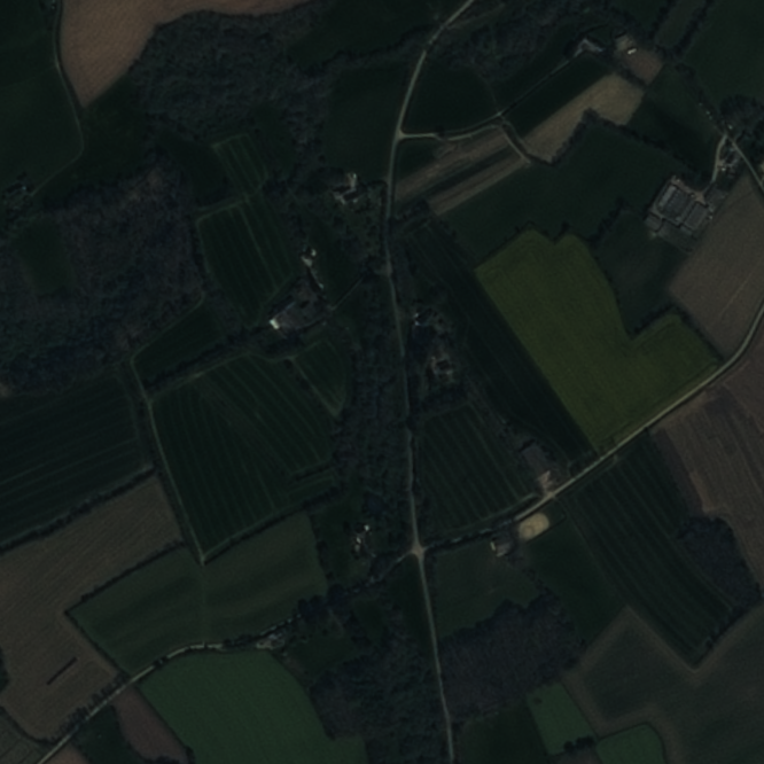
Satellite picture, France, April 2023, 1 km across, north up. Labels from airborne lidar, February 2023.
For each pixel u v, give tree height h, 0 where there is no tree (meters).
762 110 13
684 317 11
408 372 17
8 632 0
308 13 11
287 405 0
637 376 0
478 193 0
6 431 0
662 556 0
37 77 0
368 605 0
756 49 0
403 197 0
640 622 0
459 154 0
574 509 0
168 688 0
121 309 18
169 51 11
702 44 0
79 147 0
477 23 0
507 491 0
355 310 0
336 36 0
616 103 0
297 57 0
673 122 0
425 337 17
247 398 0
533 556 0
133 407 0
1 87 0
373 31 0
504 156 0
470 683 23
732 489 0
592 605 0
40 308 18
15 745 0
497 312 0
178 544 11
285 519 9
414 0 0
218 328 0
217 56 13
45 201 0
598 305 0
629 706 0
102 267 7
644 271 0
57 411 0
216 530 0
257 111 0
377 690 23
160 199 7
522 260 0
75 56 0
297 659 0
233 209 0
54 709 0
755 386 0
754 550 0
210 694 0
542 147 0
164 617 0
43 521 0
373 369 10
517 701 8
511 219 0
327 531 0
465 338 0
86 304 20
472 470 0
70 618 9
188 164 0
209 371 0
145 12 0
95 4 0
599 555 0
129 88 0
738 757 0
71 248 15
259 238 0
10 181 0
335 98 0
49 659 0
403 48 7
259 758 0
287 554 0
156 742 0
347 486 14
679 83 0
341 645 0
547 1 21
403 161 0
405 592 0
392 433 9
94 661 0
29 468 0
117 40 0
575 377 0
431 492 0
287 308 0
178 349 0
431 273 0
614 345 0
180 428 0
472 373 10
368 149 0
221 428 0
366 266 6
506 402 0
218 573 0
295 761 0
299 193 14
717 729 0
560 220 0
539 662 19
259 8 0
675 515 0
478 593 0
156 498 0
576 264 0
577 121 0
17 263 15
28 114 0
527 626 22
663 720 0
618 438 0
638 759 0
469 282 0
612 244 0
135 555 0
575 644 19
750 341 0
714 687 0
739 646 0
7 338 15
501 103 0
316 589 0
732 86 0
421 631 0
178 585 0
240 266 0
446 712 13
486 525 0
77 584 0
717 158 0
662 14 12
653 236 0
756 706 0
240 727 0
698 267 0
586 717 0
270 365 0
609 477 0
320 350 0
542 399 0
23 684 0
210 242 0
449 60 9
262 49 22
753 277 0
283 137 0
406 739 12
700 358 0
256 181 0
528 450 0
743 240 0
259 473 0
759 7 0
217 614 0
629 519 0
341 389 0
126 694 0
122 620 0
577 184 0
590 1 15
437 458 0
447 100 0
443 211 0
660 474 0
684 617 0
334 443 8
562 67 0
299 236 13
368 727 18
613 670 0
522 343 0
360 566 0
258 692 0
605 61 17
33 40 0
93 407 0
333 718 22
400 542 16
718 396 0
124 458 0
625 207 15
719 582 15
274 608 0
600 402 0
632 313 0
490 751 0
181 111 9
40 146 0
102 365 9
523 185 0
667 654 0
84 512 11
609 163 0
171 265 18
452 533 0
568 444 0
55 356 16
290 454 0
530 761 0
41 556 0
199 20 9
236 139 0
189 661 0
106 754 0
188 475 0
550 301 0
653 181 0
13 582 0
